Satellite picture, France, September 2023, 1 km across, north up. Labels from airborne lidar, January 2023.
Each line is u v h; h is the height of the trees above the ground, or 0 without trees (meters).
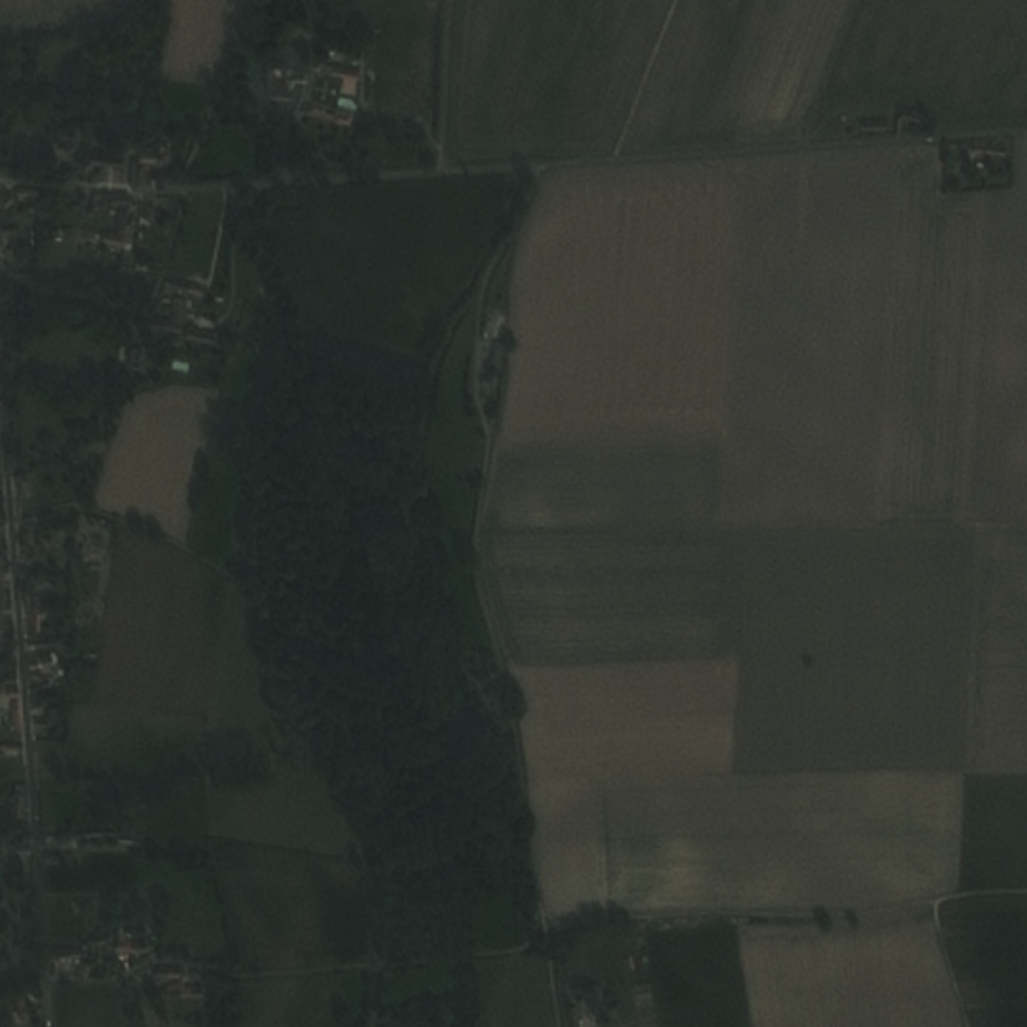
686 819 0
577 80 0
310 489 32
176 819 0
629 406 0
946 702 0
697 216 0
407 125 9
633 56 0
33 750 0
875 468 0
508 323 0
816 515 0
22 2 0
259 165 10
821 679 0
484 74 0
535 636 0
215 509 0
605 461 0
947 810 0
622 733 0
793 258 0
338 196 0
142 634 0
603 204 0
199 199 0
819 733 0
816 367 0
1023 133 0
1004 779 0
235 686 0
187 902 0
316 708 21
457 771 33
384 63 0
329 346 28
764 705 0
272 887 0
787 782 0
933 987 0
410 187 0
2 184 0
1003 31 0
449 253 0
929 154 0
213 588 0
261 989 0
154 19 24
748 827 0
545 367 0
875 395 0
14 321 16
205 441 18
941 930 0
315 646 23
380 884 21
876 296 0
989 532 0
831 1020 0
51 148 19
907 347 0
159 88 9
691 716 0
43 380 23
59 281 12
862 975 0
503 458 0
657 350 0
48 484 8
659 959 0
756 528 0
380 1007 24
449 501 0
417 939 33
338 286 0
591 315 0
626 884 0
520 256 0
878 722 0
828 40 0
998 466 0
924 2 0
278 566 21
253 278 0
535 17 0
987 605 0
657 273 0
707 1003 0
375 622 11
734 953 0
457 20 0
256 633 24
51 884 0
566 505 0
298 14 20
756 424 0
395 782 25
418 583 23
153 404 0
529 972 0
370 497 7
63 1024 0
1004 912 0
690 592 0
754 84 0
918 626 0
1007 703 0
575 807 0
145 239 0
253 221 16
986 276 0
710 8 0
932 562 0
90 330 20
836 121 0
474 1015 22
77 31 24
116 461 0
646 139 0
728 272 0
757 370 0
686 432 0
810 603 0
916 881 0
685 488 0
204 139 15
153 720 0
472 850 23
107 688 0
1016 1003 0
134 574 0
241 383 0
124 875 0
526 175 28
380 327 0
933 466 0
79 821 0
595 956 0
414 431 38
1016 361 0
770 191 0
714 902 0
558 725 0
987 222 0
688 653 0
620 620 0
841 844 0
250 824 0
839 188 0
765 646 0
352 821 38
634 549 0
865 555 0
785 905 0
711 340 0
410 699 23
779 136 0
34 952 17
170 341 12
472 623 0
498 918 0
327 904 0
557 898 0
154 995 17
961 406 0
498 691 8
